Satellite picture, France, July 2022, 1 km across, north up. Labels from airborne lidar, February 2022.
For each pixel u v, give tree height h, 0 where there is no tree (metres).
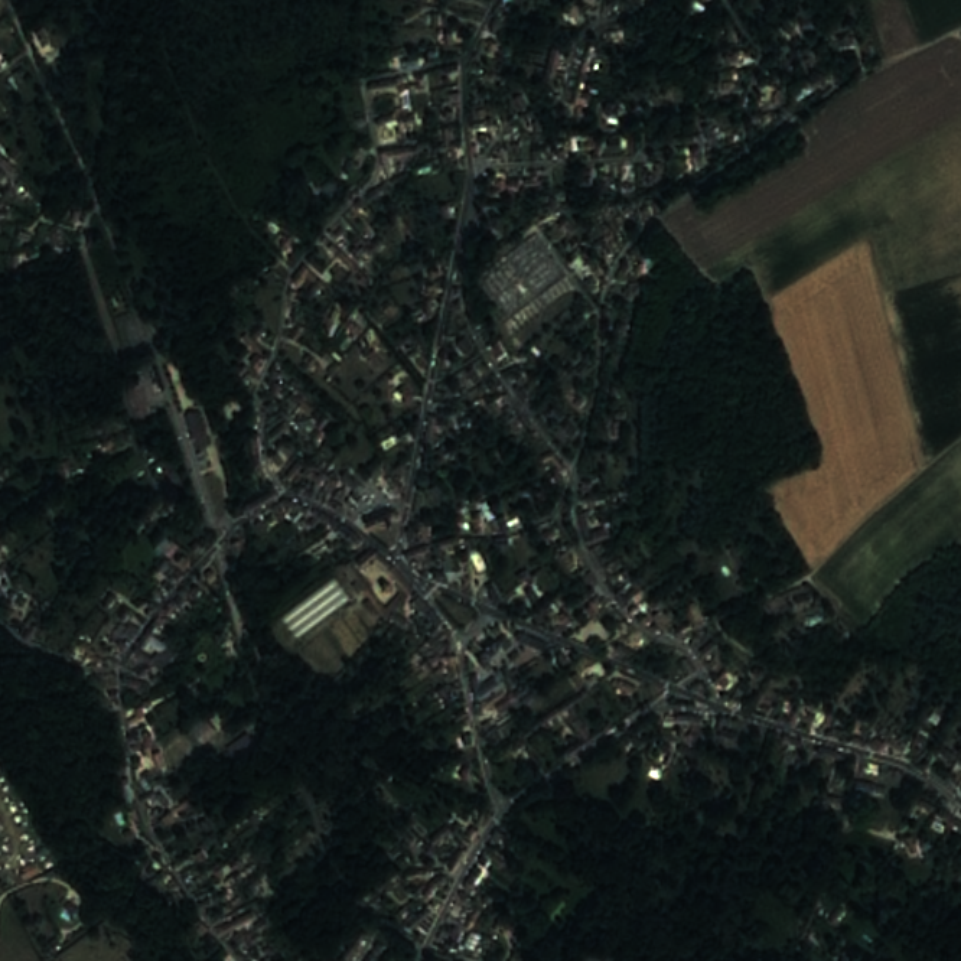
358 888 16
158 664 0
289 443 11
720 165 10
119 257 12
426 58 11
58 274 17
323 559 8
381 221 9
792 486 0
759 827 18
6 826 0
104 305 0
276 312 0
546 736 8
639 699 11
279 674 13
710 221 0
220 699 9
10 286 22
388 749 18
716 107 16
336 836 13
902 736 7
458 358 17
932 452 0
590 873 7
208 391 10
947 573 8
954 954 20
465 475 15
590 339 9
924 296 0
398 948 20
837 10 21
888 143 0
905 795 14
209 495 0
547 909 8
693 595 8
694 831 28
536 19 15
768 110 7
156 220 7
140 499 19
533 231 0
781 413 16
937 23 0
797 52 12
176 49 19
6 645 18
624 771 0
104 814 22
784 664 6
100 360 23
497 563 7
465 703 8
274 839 13
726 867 16
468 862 0
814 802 7
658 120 16
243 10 15
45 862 0
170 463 10
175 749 0
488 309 10
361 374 0
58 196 17
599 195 7
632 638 0
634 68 18
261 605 20
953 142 0
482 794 8
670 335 11
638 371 14
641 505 11
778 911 0
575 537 9
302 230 21
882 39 0
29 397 17
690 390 19
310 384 10
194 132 7
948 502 0
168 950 7
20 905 12
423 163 8
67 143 21
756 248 0
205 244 10
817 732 7
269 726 25
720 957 5
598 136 11
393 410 11
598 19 0
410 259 17
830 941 12
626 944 23
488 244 17
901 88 0
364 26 17
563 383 0
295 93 0
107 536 24
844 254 0
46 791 18
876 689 7
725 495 11
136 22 8
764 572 16
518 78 8
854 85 10
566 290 0
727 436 13
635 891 30
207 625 13
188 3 16
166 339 24
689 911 21
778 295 0
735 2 11
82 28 0
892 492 0
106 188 10
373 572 0
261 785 17
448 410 10
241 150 0
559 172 0
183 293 21
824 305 0
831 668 9
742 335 18
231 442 15
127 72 7
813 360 0
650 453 14
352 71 13
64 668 19
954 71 0
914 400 0
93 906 17
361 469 7
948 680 20
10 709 16
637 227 14
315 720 38
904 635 7
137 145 0
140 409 0
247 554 7
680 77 20
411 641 13
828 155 0
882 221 0
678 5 8
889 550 0
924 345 0
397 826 8
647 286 14
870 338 0
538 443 0
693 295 16
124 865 22
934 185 0
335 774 19
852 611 0
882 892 9
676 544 11
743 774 17
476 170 0
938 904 15
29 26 10
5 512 18
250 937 0
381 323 0
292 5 13
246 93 19
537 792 13
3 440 0
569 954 20
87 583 20
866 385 0
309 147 7
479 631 0
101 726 9
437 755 11
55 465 7
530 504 10
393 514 0
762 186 0
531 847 18
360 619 0
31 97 0
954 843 7
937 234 0
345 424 6
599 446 8
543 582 0
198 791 15
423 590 0
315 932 22
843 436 0
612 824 21
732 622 14
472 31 7
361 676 11
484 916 6
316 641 0
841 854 20
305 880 7
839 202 0
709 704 0
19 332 21
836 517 0
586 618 10
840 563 0
